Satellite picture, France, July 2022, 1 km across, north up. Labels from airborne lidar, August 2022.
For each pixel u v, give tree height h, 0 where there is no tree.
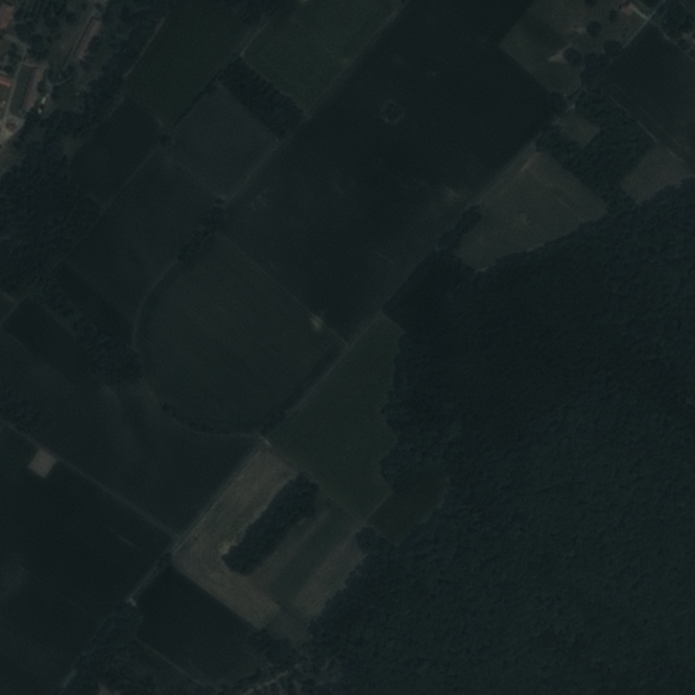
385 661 23
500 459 27
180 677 0
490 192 0
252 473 0
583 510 20
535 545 25
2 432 0
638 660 21
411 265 0
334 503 0
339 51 0
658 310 29
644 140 11
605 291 18
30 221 17
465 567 23
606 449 22
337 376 0
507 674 22
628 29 0
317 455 0
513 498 25
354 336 0
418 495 0
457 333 18
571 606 21
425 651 23
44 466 0
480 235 0
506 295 20
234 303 0
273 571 0
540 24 0
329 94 0
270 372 0
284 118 21
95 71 0
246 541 12
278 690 15
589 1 15
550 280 15
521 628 24
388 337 0
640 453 19
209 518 0
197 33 0
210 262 0
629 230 18
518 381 18
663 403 16
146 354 0
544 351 23
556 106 16
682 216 26
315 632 23
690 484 23
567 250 16
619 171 12
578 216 0
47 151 22
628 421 24
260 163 0
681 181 0
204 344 0
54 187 25
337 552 0
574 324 17
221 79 9
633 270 22
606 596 19
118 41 8
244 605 0
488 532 23
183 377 0
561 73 0
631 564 17
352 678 24
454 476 17
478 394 19
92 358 12
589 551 21
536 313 18
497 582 26
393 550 24
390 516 0
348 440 0
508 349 19
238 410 0
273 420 10
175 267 0
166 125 0
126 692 11
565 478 18
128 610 15
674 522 23
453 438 20
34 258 20
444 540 23
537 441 26
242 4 26
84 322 9
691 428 14
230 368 0
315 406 0
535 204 0
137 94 0
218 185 0
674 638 21
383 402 0
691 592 24
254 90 14
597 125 9
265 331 0
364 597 21
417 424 27
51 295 11
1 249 21
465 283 21
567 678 19
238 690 8
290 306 0
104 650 22
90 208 20
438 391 21
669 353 24
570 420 24
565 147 12
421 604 27
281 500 18
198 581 0
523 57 0
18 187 13
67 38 0
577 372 12
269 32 0
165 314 0
